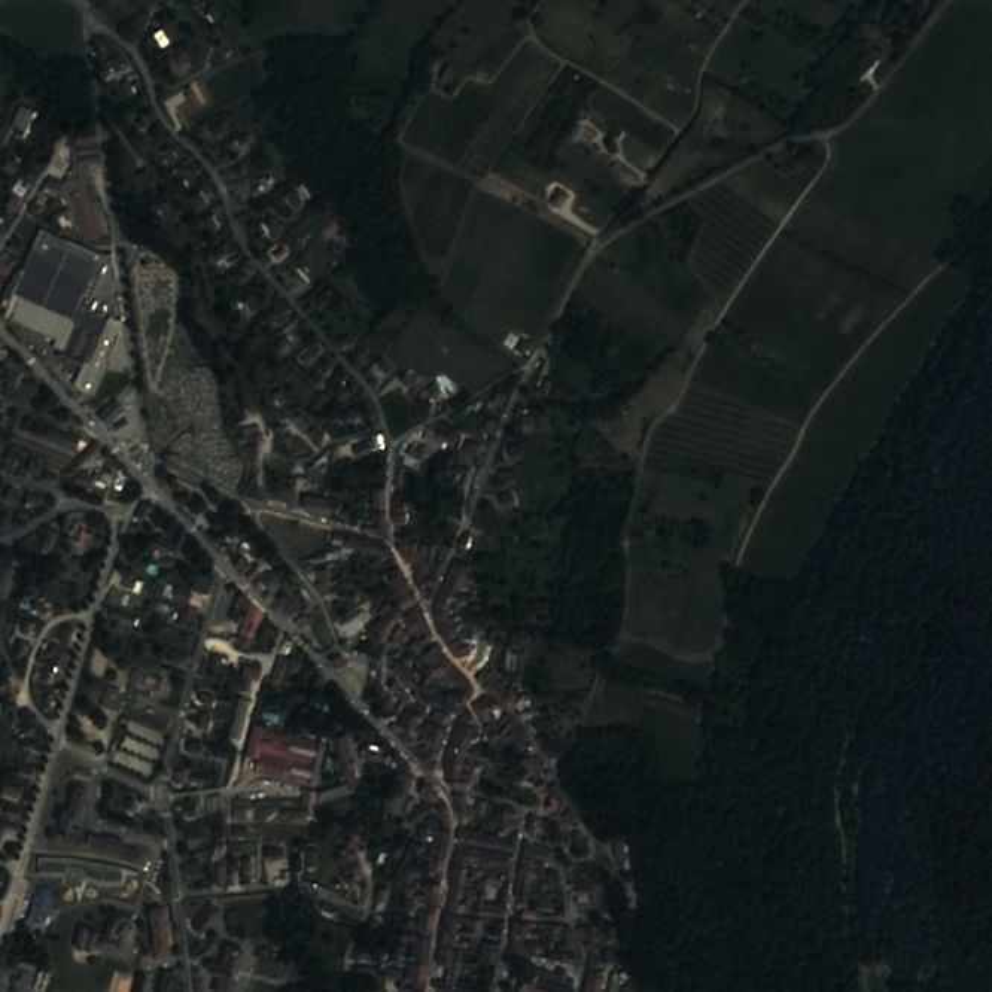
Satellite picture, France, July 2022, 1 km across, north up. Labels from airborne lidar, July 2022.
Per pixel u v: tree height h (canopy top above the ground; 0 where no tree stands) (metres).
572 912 0
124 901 0
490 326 0
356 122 10
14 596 6
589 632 11
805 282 0
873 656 18
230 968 0
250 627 0
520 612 9
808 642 17
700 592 0
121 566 17
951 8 0
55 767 0
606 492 9
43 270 0
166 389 0
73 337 0
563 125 6
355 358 13
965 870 17
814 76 11
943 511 19
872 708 18
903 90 0
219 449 0
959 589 20
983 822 26
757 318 0
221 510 8
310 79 22
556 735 5
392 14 0
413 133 0
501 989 7
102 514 9
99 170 0
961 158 0
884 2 6
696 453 0
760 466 0
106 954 0
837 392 0
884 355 0
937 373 8
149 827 8
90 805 0
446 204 0
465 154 0
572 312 8
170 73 7
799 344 0
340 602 6
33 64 20
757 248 0
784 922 20
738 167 0
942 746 24
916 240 0
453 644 0
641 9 0
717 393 0
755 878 23
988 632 27
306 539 0
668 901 33
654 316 0
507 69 0
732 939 21
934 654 20
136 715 0
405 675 0
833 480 0
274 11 0
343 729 12
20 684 0
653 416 0
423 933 0
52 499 8
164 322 0
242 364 6
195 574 6
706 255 0
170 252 18
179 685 14
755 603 18
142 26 0
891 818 19
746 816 13
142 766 0
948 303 0
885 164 0
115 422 0
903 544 13
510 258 0
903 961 16
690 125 6
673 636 0
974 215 13
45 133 8
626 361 0
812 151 14
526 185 0
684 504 0
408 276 17
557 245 0
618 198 0
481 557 14
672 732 0
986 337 26
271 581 0
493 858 0
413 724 0
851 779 7
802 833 24
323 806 8
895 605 20
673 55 0
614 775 16
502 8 0
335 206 6
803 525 0
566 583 10
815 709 9
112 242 0
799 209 0
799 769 23
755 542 0
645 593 0
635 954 23
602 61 0
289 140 20
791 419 0
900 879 12
